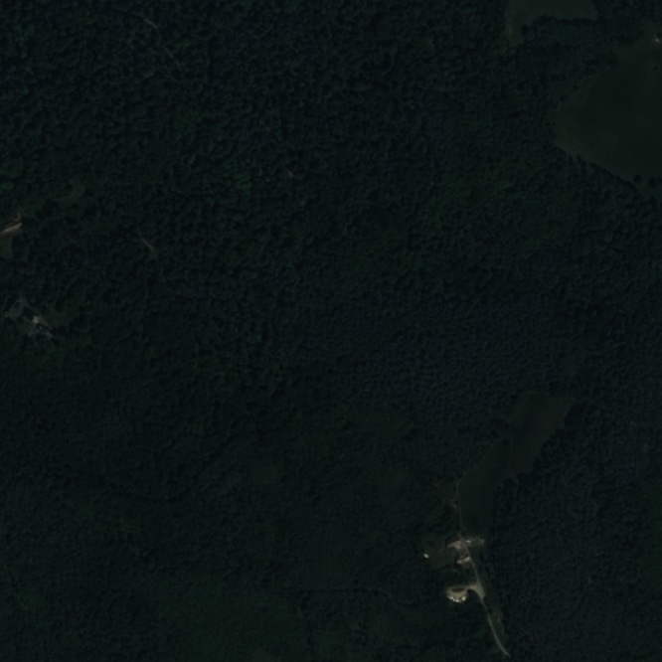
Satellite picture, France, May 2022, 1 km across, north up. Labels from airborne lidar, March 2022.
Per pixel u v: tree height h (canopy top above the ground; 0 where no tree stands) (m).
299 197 21
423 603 17
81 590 18
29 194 24
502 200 24
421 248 30
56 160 22
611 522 23
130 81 26
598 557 24
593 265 28
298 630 13
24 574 16
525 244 22
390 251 26
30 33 29
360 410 21
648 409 19
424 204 16
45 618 17
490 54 26
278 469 18
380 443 25
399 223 27
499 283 26
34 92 31
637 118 0
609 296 26
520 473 0
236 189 21
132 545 20
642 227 26
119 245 25
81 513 18
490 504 0
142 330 26
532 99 26
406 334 28
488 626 6
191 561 23
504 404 28
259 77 21
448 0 25
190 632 17
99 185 13
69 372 17
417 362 20
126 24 30
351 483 19
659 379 21
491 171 19
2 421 24
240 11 28
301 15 21
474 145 18
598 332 24
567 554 21
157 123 27
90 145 18
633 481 21
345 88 13
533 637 21
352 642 21
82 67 27
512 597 23
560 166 31
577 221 28
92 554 17
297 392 26
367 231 28
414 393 33
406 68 23
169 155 21
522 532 26
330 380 27
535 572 24
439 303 25
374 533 16
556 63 29
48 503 18
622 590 22
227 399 24
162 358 21
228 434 12
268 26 23
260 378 10
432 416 28
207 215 26
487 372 30
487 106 22
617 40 24
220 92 29
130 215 23
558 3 0
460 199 21
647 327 22
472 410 35
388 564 13
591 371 28
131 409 11
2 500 22
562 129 0
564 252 29
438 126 29
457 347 21
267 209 26
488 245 25
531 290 26
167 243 25
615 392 25
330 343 34
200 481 24
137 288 24
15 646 21
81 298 19
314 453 16
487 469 0
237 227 26
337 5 20
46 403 22
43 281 17
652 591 23
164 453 24
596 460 22
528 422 0
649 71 0
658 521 26
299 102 18
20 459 24
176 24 14
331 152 27
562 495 25
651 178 0
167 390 21
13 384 24
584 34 24
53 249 20
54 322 0
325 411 24
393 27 25
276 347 35
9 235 0
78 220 6
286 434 16
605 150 0
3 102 32
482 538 0
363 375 31
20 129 31
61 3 31
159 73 27
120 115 31
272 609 20
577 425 21
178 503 16
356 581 16
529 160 22
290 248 21
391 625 23
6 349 28
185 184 25
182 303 26
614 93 0
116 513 19
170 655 16
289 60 29
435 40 16
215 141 26
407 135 16
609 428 26
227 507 21
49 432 23
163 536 20
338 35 25
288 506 20
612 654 23
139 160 28
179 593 22
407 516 17
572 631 21
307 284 21
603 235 29
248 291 25
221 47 26
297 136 28
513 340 31
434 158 31
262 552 21
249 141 23
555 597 24
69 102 25
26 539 16
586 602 23
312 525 17
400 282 21
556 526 23
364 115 28
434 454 15
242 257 20
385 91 26
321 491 15
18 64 31
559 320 28
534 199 21
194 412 20
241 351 17
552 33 25
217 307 24
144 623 13
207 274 23
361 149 24
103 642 16
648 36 0
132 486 20
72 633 10
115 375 18
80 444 14
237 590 20
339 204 29
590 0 0
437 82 26
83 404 21
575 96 0
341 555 16
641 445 18
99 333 25
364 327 27
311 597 22
